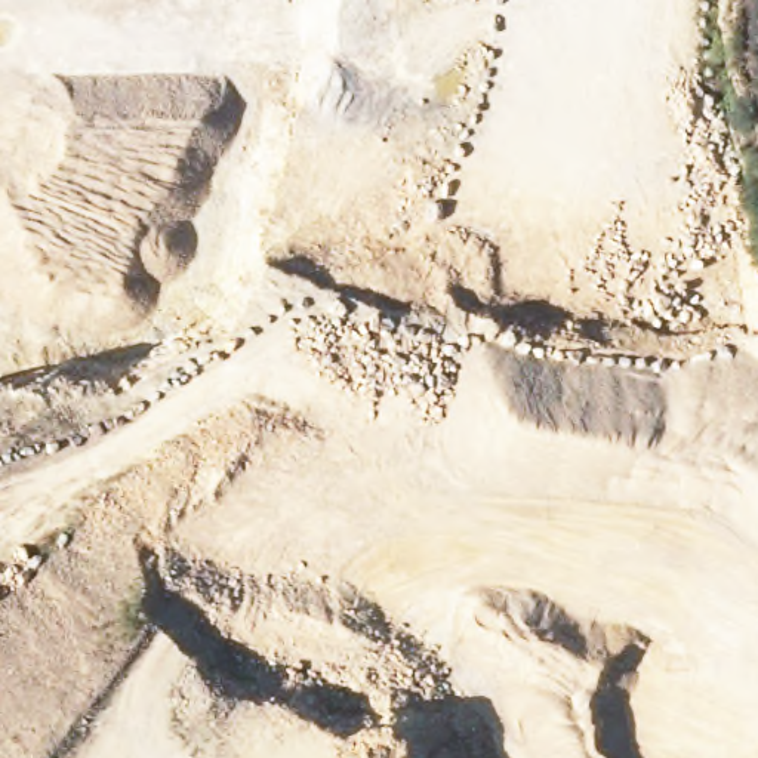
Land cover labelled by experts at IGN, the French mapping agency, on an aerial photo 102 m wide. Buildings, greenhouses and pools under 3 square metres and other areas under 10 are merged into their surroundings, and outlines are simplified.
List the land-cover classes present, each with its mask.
<instances>
[{"label":"pervious surface","instance_id":"1","mask_svg":"<svg viewBox=\"0 0 758 758\"><path fill-rule=\"evenodd\" d=\"M705 0H0V758H758V266L749 255L752 213L743 207L737 192V160L725 157L728 172L720 175L711 157L717 142L722 139V118L714 113V98L705 101L702 118L690 115V89L699 83L696 47L702 44L705 30Z\"/></svg>","mask_w":758,"mask_h":758},{"label":"herbaceous vegetation","instance_id":"2","mask_svg":"<svg viewBox=\"0 0 758 758\"><path fill-rule=\"evenodd\" d=\"M705 30L702 44L696 47L699 83L690 89V115L702 118L705 101L714 98V113L722 118V139L717 142L711 157L720 175L728 172L725 157L737 160V192L743 207L752 213L749 255L758 266V0H705Z\"/></svg>","mask_w":758,"mask_h":758}]
</instances>
